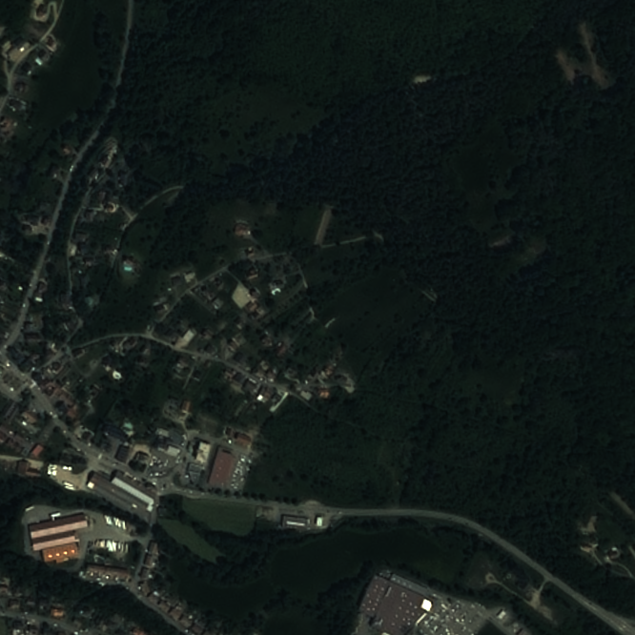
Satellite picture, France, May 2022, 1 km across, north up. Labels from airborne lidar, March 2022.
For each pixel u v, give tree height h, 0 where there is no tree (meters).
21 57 0
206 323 0
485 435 7
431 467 15
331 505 0
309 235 0
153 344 12
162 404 0
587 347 21
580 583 12
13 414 0
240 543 23
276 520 0
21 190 33
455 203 22
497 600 16
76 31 0
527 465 16
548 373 12
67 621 0
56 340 6
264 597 0
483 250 23
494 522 9
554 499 12
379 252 12
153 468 0
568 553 8
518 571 29
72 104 0
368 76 16
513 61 24
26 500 17
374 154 17
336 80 14
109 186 14
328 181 21
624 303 20
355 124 28
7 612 0
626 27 27
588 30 0
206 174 18
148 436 12
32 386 0
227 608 0
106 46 24
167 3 20
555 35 28
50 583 15
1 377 0
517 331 16
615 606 18
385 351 0
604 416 17
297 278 7
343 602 22
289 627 0
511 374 0
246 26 17
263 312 0
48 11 0
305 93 14
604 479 17
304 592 0
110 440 0
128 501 0
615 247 23
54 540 0
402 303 0
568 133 10
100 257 0
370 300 0
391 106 25
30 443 0
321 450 7
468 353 15
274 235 0
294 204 17
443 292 15
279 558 0
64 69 0
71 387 0
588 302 18
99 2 0
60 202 0
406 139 20
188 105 9
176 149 13
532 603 0
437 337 9
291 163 22
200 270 0
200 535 12
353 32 12
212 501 0
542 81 17
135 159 11
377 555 0
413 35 20
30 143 7
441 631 0
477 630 0
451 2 16
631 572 0
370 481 7
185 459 0
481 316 8
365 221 22
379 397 6
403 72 15
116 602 12
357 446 6
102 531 0
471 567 0
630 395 20
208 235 0
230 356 0
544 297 19
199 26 14
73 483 0
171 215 14
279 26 16
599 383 17
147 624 10
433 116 28
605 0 19
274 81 17
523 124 17
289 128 0
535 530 11
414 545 0
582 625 0
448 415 10
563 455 10
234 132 0
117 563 0
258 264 6
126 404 15
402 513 0
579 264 24
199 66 13
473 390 0
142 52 13
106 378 6
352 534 0
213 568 19
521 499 8
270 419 6
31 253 23
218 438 0
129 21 0
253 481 0
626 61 20
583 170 20
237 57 14
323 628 0
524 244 18
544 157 17
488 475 11
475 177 0
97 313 7
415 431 14
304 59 17
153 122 5
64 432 0
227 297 0
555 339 21
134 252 0
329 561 0
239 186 23
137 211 11
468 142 21
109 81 21
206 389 0
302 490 0
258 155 7
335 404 10
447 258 22
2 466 0
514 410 10
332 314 0
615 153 22
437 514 0
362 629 0
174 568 0
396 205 25
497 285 12
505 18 17
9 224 25
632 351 19
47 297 17
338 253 0
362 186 23
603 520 7
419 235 19
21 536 0
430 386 8
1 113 0
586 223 21
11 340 0
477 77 22
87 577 0
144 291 0
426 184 26
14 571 8
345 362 0
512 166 0
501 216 20
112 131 15
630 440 18
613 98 24
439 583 13
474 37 21
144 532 19
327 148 27
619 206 23
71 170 0
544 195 19
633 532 7
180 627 0
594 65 0
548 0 13
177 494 0
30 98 0
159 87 9
